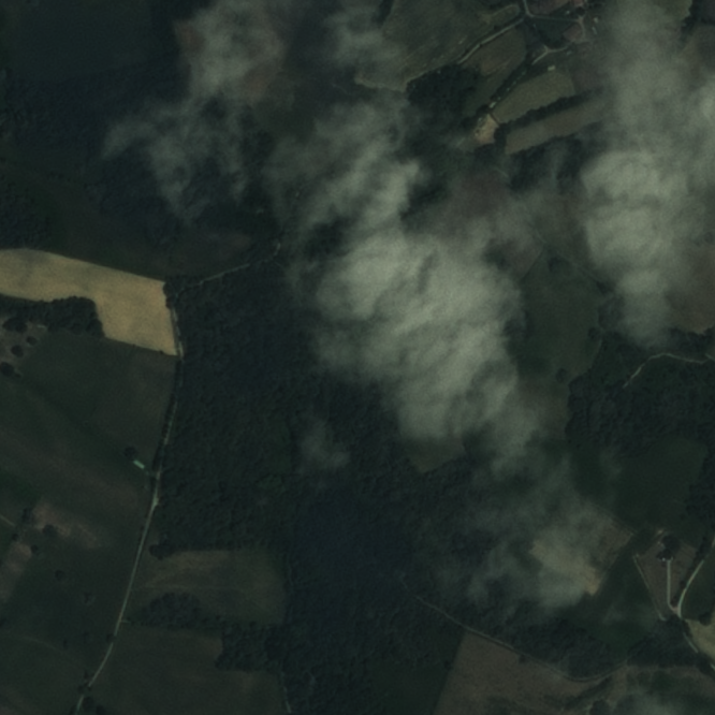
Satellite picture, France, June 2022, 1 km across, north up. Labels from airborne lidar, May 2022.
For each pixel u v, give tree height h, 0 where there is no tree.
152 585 0
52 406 0
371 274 19
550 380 0
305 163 0
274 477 18
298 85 0
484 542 13
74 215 0
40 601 0
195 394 8
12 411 0
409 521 9
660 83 0
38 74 0
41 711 0
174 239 11
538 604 8
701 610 0
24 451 0
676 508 0
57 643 0
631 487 0
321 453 26
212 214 10
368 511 18
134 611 0
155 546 9
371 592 14
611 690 0
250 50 0
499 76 0
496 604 11
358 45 0
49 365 0
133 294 0
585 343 0
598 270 0
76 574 0
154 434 0
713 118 26
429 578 12
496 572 11
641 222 0
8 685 0
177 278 8
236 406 11
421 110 13
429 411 0
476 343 20
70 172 0
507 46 0
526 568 0
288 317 12
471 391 6
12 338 0
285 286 9
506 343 0
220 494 15
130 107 22
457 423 0
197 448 20
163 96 9
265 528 16
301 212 18
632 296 0
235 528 15
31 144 14
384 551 15
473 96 23
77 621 0
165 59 11
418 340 0
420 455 0
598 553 0
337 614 17
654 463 0
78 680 0
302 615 14
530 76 0
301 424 20
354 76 0
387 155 26
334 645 19
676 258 0
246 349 23
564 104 17
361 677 9
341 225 25
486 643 0
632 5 0
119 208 13
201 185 17
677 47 6
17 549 0
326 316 18
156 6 11
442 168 29
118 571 0
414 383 0
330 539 13
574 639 15
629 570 0
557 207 0
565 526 0
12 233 6
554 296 0
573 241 0
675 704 0
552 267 14
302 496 18
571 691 0
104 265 0
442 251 0
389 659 9
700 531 0
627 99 0
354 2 0
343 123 0
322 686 22
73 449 0
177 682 0
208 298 17
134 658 0
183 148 12
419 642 14
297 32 0
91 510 0
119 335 0
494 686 0
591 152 28
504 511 10
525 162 17
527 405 0
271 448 11
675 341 21
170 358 0
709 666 12
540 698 0
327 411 16
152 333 0
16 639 0
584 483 0
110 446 0
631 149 22
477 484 10
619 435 12
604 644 9
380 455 12
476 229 0
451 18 0
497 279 0
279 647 24
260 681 0
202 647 0
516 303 23
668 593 0
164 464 12
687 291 0
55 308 13
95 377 0
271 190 10
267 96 0
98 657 0
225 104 22
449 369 0
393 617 10
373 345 9
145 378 0
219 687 0
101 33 0
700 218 0
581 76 0
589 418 13
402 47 0
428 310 17
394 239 22
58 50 0
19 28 0
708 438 12
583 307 0
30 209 11
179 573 0
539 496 0
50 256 0
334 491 20
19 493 0
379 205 25
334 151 0
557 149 26
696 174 0
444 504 13
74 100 13
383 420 15
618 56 0
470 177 0
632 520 0
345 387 23
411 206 21
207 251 0
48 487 0
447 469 11
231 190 19
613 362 0
